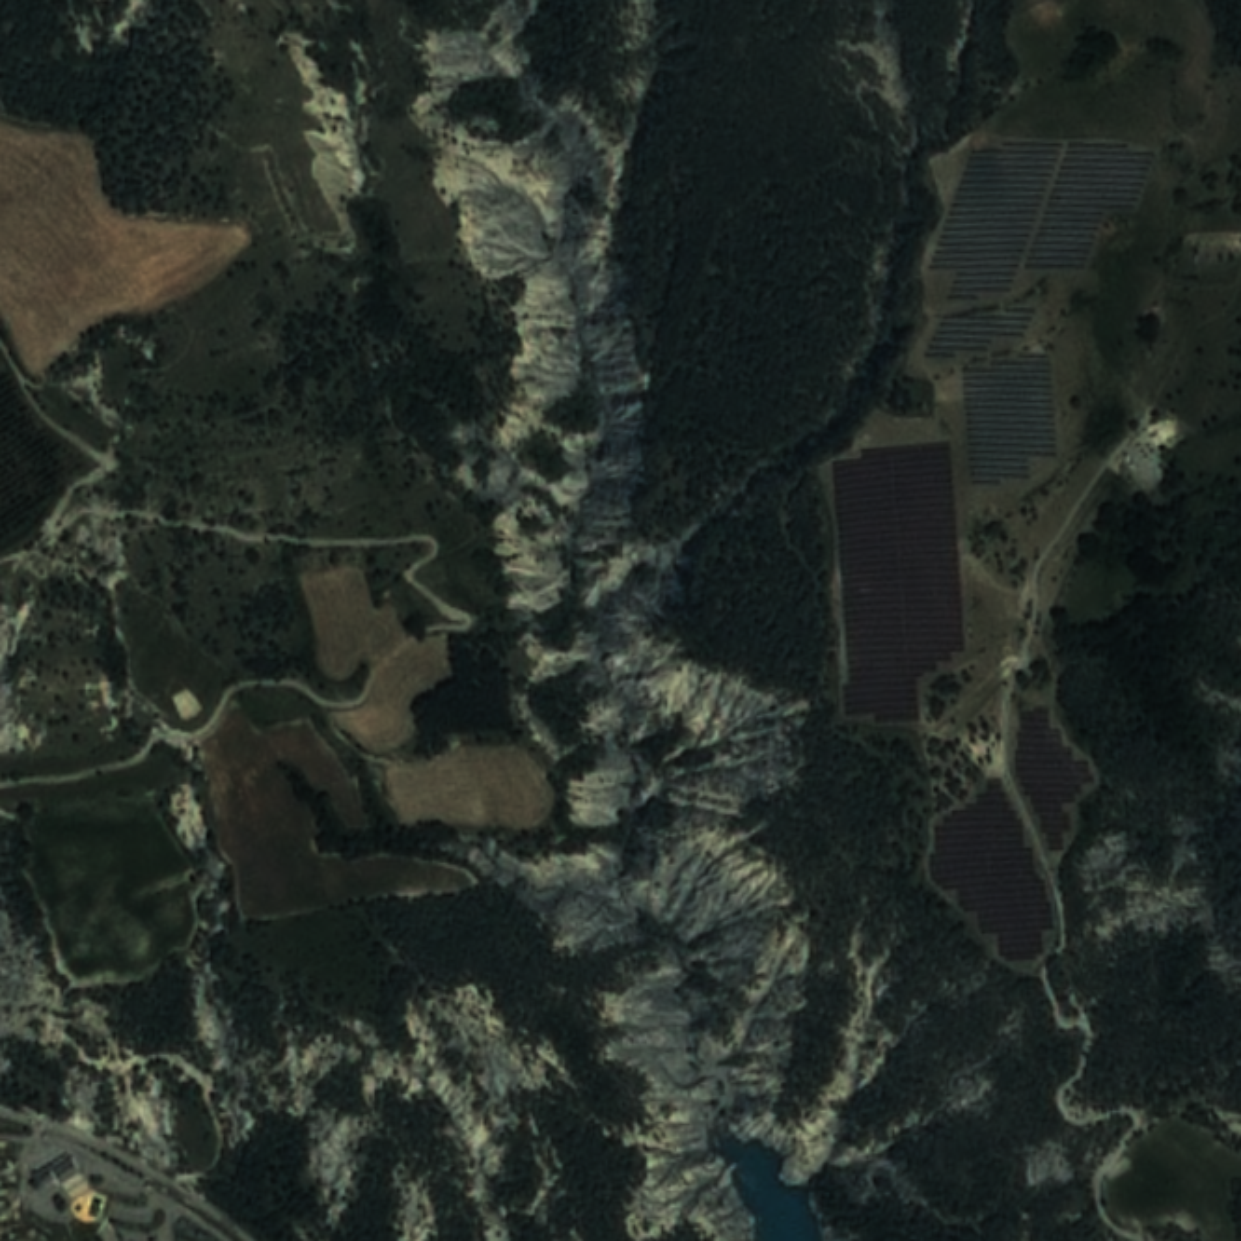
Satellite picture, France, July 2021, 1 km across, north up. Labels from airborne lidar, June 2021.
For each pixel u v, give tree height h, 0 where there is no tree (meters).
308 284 0
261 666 6
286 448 0
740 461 7
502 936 7
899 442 0
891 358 11
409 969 6
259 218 0
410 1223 0
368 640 0
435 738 8
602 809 0
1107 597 0
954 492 0
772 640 8
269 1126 7
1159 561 9
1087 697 21
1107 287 0
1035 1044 7
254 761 0
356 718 0
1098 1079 11
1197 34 0
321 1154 0
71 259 0
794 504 8
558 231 0
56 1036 0
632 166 13
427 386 9
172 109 7
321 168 0
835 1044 5
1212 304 0
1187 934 8
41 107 8
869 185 11
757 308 11
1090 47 12
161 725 0
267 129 0
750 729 0
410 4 6
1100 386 0
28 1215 0
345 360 6
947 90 10
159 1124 0
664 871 0
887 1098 10
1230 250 0
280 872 0
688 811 0
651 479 9
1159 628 20
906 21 12
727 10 10
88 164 0
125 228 0
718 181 14
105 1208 0
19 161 0
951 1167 11
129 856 0
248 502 6
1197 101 0
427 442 9
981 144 0
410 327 7
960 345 0
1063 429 0
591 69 6
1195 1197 0
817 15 12
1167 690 9
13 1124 0
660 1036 0
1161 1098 8
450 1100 0
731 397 7
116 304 0
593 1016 10
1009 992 9
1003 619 0
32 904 7
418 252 0
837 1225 7
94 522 0
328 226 0
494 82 6
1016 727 0
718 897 0
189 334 0
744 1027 0
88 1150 0
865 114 7
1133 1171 0
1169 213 0
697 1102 0
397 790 0
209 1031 0
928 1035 6
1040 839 0
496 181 0
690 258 18
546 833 7
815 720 7
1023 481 0
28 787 0
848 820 7
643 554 0
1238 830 16
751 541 9
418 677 0
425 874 0
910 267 7
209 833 8
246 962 6
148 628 0
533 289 0
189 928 0
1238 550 10
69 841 0
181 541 10
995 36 6
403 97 0
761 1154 0
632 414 0
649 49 6
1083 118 0
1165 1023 8
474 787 0
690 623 7
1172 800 15
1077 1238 7
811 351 9
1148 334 12
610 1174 10
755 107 12
